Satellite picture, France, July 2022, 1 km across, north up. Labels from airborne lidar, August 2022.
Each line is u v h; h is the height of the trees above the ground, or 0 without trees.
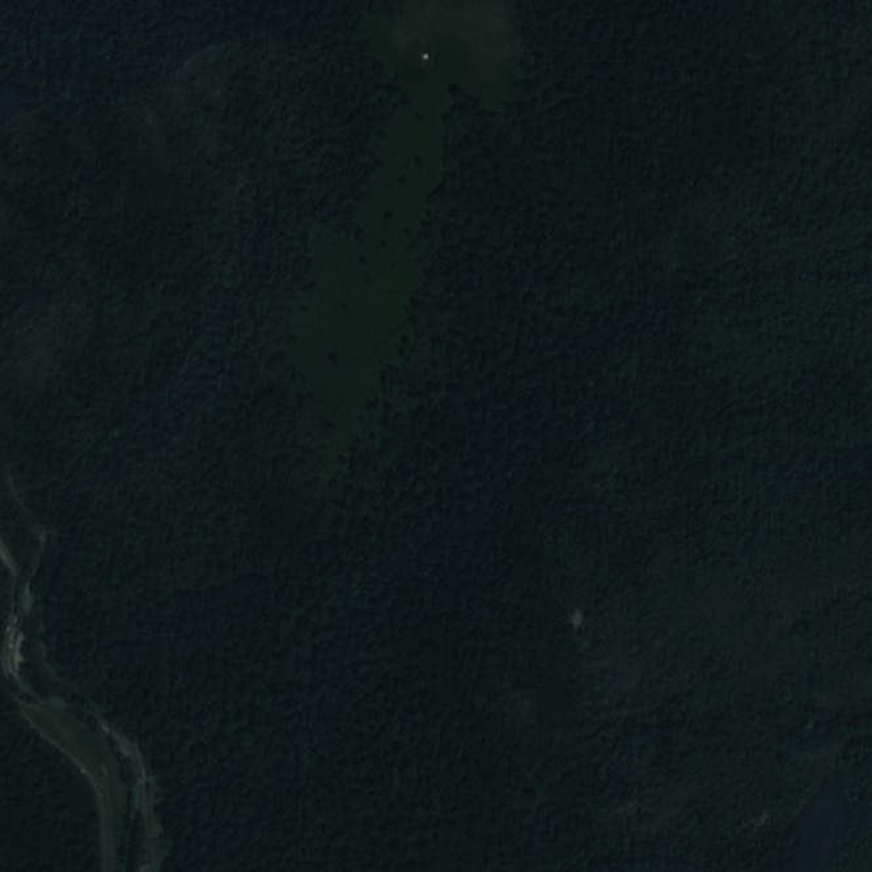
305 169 8
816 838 10
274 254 14
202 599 25
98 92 17
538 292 24
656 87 23
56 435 8
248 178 6
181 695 29
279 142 6
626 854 19
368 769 11
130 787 13
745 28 20
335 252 0
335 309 0
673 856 8
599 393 19
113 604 12
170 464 15
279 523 21
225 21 23
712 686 7
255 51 8
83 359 17
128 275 16
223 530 13
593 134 21
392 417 23
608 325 27
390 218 17
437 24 0
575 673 12
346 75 21
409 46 0
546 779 17
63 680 13
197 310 12
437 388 25
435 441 22
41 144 14
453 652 7
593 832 7
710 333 8
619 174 20
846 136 13
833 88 6
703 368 11
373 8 9
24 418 13
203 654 16
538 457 26
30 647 15
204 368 20
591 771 10
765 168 10
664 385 15
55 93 26
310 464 15
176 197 15
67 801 14
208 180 7
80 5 18
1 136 13
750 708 12
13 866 29
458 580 22
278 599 24
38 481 19
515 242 7
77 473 12
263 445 19
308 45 18
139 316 16
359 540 22
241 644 19
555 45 15
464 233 26
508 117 11
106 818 0
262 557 31
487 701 11
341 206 20
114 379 16
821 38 13
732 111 19
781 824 8
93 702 13
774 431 15
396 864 20
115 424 22
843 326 9
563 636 12
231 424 21
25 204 12
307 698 29
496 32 0
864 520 8
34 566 7
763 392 13
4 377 14
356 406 0
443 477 25
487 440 22
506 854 21
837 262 10
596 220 17
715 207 9
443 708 11
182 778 24
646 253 16
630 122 10
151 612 15
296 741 20
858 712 13
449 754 31
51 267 6
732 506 9
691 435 11
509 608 26
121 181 16
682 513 16
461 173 14
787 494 8
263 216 21
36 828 27
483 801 23
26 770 28
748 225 9
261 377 15
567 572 10
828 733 15
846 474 17
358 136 27
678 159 21
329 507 22
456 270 19
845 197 9
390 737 10
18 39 25
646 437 9
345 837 14
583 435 21
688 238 14
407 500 31
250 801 16
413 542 11
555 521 10
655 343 21
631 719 8
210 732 22
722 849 10
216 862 27
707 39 17
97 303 8
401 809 11
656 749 7
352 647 21
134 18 22
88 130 7
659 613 6
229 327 9
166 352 19
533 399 22
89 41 20
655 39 26
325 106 15
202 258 17
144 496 7
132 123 11
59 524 21
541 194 10
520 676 11
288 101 18
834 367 16
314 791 20
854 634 8
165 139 9
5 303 12
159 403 20
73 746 0
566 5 11
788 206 17
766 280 10
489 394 9
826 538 10
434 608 23
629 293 16
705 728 8
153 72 8
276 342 10
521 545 22
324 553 26
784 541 6
